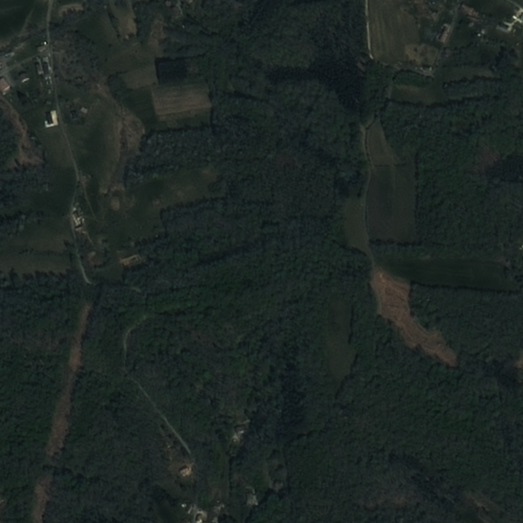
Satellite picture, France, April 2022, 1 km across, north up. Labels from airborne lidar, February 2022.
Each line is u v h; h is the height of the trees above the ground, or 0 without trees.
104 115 0
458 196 21
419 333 0
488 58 0
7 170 23
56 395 11
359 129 17
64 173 0
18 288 24
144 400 18
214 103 25
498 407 21
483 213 26
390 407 20
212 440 30
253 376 13
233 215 10
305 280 24
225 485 0
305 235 21
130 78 0
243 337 18
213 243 28
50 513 20
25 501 19
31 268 0
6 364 20
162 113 0
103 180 0
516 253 20
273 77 24
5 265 0
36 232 0
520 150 26
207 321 22
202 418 20
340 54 26
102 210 0
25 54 0
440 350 0
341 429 19
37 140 7
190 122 0
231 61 24
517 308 19
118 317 21
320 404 25
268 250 27
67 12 0
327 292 20
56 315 28
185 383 27
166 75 19
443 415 12
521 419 18
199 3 0
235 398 24
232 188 16
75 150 0
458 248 21
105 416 25
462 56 7
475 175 25
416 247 15
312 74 24
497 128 26
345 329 0
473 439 18
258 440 31
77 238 6
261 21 32
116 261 0
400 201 0
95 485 26
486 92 16
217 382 26
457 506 24
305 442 13
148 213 0
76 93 0
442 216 14
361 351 17
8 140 18
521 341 20
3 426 25
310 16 29
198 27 18
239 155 6
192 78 12
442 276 0
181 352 25
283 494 6
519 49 0
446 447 26
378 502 20
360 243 0
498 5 0
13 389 21
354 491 18
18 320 21
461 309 21
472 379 20
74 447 26
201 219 28
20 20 0
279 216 18
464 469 20
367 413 19
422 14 0
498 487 18
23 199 27
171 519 0
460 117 20
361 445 25
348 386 21
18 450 34
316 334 24
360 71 24
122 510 19
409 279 0
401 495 16
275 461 13
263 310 20
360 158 20
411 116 21
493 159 24
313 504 14
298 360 28
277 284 22
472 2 0
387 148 0
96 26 0
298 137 18
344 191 20
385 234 0
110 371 17
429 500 20
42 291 23
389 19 0
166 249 28
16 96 0
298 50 28
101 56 0
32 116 0
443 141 20
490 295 18
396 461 21
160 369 23
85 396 22
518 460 26
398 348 23
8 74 0
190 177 0
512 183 19
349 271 15
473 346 25
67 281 21
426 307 8
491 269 0
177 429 23
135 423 28
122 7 16
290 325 25
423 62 0
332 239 22
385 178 0
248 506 0
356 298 21
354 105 28
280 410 22
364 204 0
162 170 21
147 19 8
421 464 22
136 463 25
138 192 0
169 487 0
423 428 18
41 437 24
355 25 23
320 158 19
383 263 0
